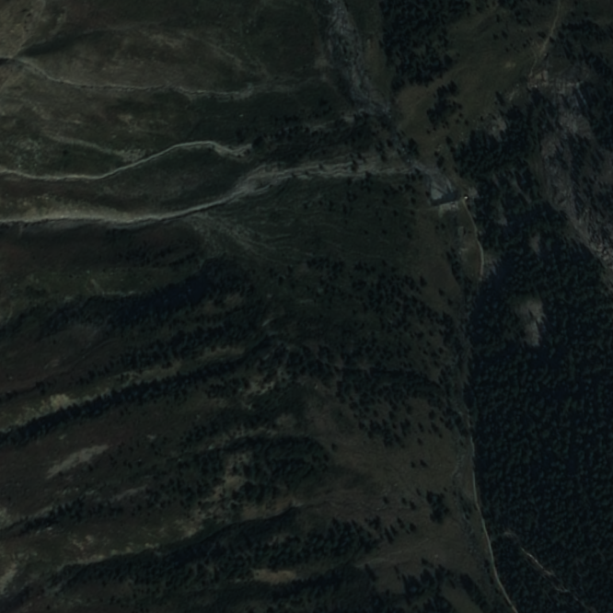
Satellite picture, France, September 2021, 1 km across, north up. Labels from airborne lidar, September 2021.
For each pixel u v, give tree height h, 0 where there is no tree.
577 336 25
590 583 23
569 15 0
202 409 0
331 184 0
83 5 0
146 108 0
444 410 12
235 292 8
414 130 0
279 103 0
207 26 0
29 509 0
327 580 6
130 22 0
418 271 0
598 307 19
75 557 0
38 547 0
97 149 0
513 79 0
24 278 0
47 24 0
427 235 0
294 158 7
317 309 0
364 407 13
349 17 0
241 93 0
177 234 0
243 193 0
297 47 0
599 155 0
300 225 0
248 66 0
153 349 9
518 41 0
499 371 26
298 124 7
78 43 0
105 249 0
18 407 0
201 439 13
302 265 0
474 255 0
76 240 0
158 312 9
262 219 0
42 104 0
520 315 0
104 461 0
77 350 0
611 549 21
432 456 0
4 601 0
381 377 19
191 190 0
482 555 0
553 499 29
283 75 0
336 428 0
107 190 0
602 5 0
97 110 0
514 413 23
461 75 0
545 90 0
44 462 0
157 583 9
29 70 0
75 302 0
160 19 0
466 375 0
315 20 0
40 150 0
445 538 0
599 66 8
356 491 0
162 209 0
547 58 0
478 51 0
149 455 0
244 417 8
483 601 30
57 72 0
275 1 0
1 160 0
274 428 11
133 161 0
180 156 0
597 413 26
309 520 0
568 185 0
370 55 0
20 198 0
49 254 0
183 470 11
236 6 0
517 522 18
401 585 0
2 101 0
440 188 0
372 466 0
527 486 26
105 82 0
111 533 0
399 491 0
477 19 0
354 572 6
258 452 21
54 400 0
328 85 0
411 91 0
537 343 0
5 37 0
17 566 0
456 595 0
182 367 0
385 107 0
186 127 0
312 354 17
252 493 27
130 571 10
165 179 0
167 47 0
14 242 0
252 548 19
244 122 0
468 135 0
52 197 0
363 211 0
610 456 17
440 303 0
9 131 0
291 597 15
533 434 8
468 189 0
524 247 9
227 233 0
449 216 0
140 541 0
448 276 0
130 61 0
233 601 6
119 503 0
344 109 0
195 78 0
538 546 27
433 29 12
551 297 18
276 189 0
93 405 6
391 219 0
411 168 0
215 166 0
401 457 0
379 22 0
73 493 0
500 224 0
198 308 11
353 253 0
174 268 8
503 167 16
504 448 25
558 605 26
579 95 0
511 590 11
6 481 0
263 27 0
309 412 0
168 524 0
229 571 20
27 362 0
